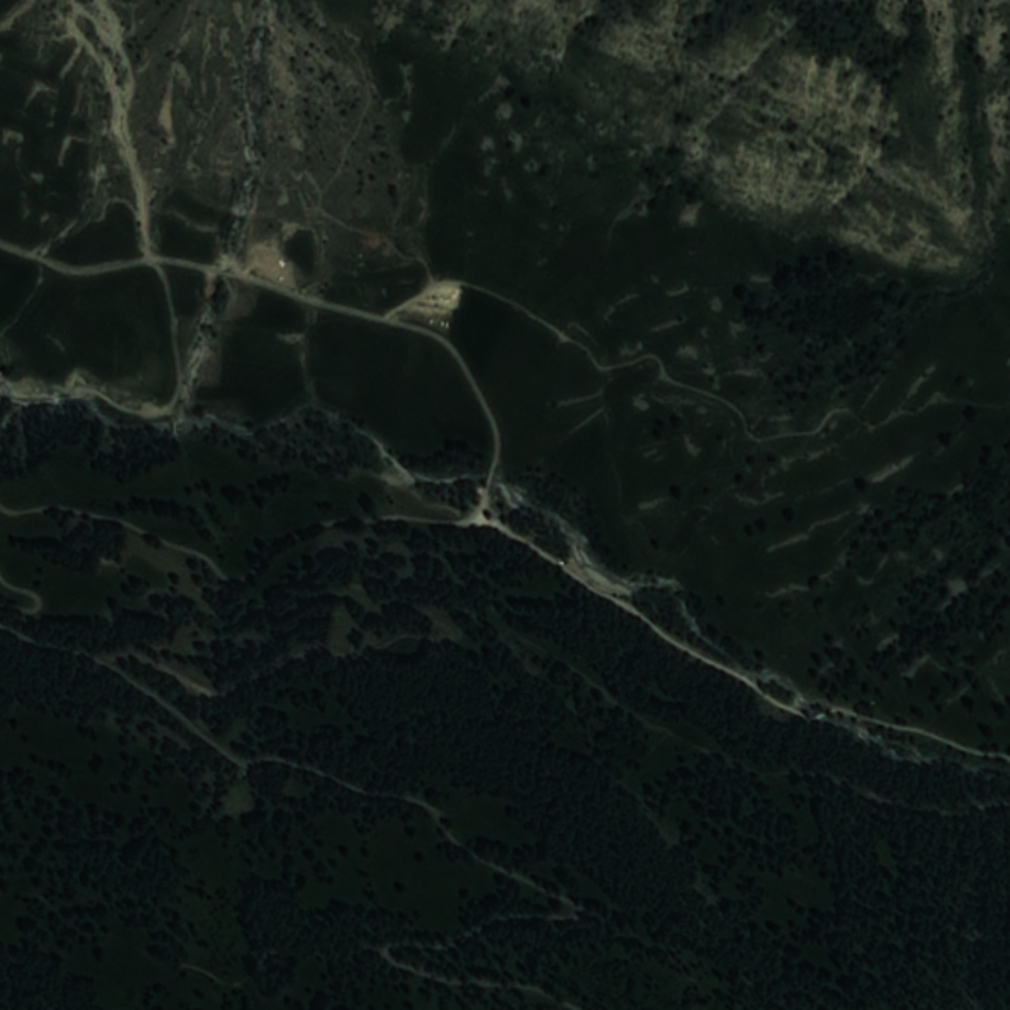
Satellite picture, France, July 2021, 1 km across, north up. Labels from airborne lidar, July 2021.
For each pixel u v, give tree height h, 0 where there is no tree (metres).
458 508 10
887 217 0
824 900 0
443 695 23
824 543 0
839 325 16
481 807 0
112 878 19
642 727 20
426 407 0
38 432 8
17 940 0
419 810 13
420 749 16
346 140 0
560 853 21
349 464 11
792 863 12
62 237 0
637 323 0
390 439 0
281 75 0
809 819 0
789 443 0
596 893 0
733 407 0
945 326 0
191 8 0
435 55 0
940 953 24
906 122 0
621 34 0
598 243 0
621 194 0
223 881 0
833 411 0
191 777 18
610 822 17
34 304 0
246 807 0
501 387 0
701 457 0
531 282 0
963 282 0
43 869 17
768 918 0
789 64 0
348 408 0
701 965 10
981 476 7
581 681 11
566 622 28
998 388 0
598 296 0
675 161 10
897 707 0
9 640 18
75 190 0
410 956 19
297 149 0
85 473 0
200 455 0
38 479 0
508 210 0
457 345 0
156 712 17
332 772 15
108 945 0
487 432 0
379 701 23
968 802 20
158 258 0
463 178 0
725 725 24
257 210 0
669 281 0
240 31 0
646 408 0
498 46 0
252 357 0
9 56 0
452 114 0
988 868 11
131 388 0
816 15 8
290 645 22
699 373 0
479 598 26
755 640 0
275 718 23
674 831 0
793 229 0
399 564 24
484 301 0
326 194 0
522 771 15
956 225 0
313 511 0
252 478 0
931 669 0
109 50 6
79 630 18
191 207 0
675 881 21
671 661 17
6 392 0
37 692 20
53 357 0
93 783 0
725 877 9
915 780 23
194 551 0
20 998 19
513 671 21
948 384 0
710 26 12
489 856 24
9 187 0
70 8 0
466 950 23
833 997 27
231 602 29
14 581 0
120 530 20
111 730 0
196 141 0
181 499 0
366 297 0
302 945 25
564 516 6
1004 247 0
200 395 0
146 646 21
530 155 0
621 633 20
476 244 0
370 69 0
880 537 12
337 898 0
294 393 0
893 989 24
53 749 0
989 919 25
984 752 12
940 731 0
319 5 0
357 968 16
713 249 0
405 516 0
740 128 0
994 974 20
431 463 12
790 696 12
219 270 0
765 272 0
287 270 0
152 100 0
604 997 7
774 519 0
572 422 0
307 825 16
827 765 21
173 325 0
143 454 19
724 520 0
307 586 22
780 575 0
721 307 0
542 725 12
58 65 0
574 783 20
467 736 18
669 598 7
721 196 0
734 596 0
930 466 0
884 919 22
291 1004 17
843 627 0
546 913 18
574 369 0
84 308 0
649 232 0
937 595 5
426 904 0
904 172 0
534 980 23
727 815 20
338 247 0
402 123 0
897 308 8
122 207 0
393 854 0
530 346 0
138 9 0
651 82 0
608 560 13
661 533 0
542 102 6
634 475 0
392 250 0
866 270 0
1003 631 15
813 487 0
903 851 29
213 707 26
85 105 0
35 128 0
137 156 0
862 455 0
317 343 0
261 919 18
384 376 0
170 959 24
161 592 0
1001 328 0
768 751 21
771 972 27
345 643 0
